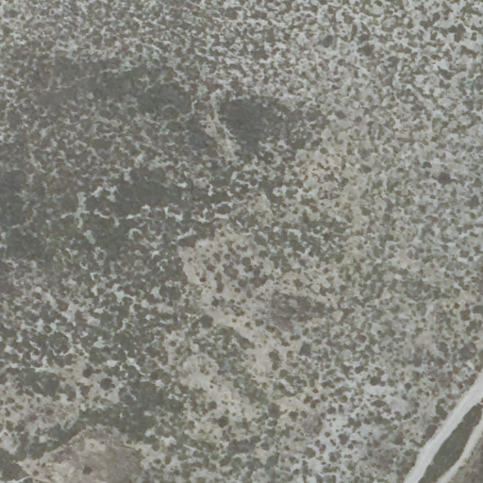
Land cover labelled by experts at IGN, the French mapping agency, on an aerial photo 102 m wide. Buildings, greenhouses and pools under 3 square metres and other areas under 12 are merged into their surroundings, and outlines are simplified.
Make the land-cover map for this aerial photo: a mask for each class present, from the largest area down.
<instances>
[{"label":"herbaceous vegetation","instance_id":"1","mask_svg":"<svg viewBox=\"0 0 483 483\"><path fill-rule=\"evenodd\" d=\"M483 372V0H0V483H404L406 475L417 464L421 449L428 440L434 438L436 430L447 419V415L457 408L458 400L470 391V387ZM449 483H483V434L466 464Z\"/></svg>","mask_w":483,"mask_h":483},{"label":"bare soil","instance_id":"2","mask_svg":"<svg viewBox=\"0 0 483 483\"><path fill-rule=\"evenodd\" d=\"M483 434V372L470 387V391L458 400L457 408L447 415V419L436 430L434 438L428 440L421 449L417 464L406 475L404 483H449L466 464Z\"/></svg>","mask_w":483,"mask_h":483}]
</instances>
